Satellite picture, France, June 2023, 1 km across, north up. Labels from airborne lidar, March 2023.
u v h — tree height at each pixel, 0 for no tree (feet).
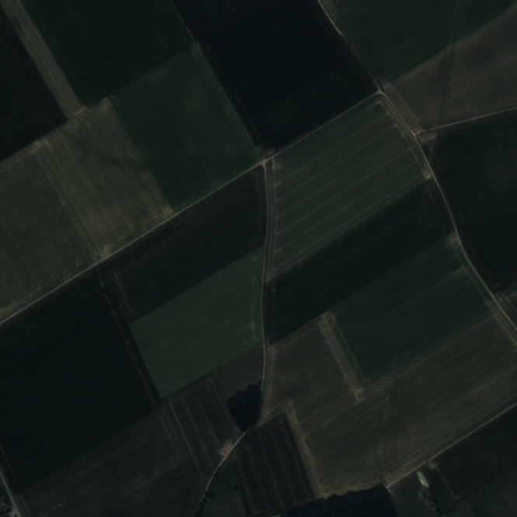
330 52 0
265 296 0
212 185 0
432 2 0
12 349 0
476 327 0
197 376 0
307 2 0
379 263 0
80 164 0
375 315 0
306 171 0
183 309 0
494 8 0
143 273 0
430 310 0
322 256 0
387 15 0
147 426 0
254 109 0
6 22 0
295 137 0
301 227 0
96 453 0
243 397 74
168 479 0
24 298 0
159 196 0
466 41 0
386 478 0
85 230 0
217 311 0
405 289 0
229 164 0
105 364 0
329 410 0
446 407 0
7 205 0
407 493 0
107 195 0
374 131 0
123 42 0
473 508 0
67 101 0
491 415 0
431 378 0
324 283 0
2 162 0
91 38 0
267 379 0
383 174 0
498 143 0
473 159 0
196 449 0
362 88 0
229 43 0
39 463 0
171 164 0
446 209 0
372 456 0
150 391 0
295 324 0
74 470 0
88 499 0
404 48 0
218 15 0
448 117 0
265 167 0
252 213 0
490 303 0
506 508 0
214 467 0
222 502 0
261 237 0
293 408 0
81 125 0
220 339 0
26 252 0
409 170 0
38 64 0
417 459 0
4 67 0
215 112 0
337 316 0
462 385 0
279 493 0
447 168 0
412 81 0
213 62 0
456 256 0
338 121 0
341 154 0
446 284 0
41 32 0
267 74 0
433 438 0
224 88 0
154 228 0
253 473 0
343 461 0
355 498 71
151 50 0
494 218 0
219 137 0
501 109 0
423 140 0
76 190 0
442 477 0
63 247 0
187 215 0
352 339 0
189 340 0
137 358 0
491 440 0
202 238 0
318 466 0
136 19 0
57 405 0
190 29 0
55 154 0
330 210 0
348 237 0
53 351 0
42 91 0
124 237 0
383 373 0
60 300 0
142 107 0
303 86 0
